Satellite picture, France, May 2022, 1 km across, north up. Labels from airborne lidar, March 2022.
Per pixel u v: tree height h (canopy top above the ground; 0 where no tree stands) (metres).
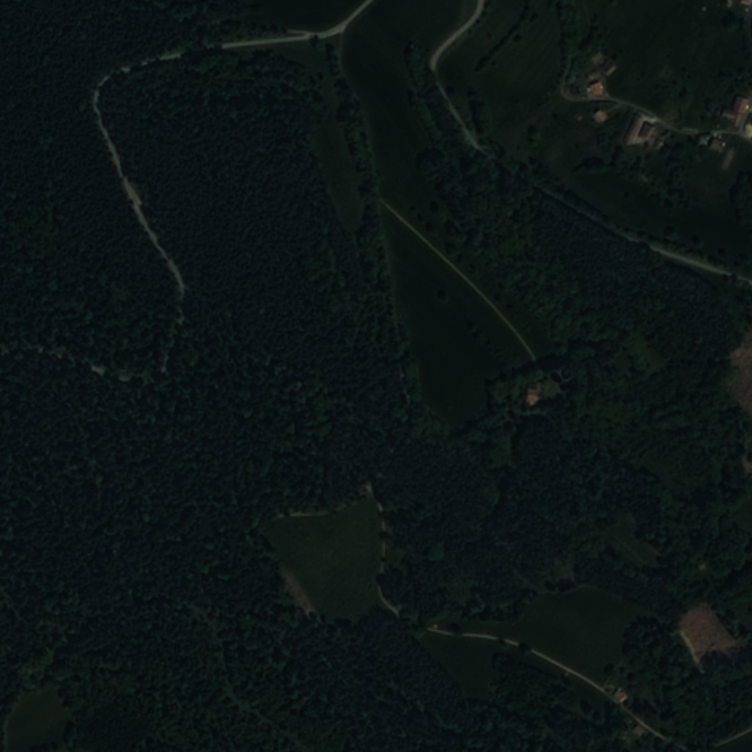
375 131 0
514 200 33
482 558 32
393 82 0
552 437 31
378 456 36
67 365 15
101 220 29
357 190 0
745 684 27
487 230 37
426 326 0
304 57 0
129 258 26
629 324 21
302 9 0
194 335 15
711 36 0
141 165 22
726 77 10
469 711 28
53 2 25
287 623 27
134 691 28
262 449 36
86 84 22
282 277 27
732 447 7
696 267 0
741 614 0
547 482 27
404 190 0
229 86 13
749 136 0
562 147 0
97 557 28
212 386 19
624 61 0
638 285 27
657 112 0
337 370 31
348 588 0
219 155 27
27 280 29
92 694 20
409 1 0
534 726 28
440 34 0
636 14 0
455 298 0
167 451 37
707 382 22
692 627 0
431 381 0
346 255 30
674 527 20
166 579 32
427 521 23
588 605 0
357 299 34
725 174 0
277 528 0
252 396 37
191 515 34
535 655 0
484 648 0
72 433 37
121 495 38
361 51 0
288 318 28
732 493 22
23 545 35
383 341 11
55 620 28
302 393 22
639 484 33
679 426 15
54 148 23
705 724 16
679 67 0
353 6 0
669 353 9
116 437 40
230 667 16
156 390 15
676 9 0
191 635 10
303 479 35
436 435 30
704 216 0
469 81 0
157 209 22
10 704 16
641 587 28
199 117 29
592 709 18
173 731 24
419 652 29
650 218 0
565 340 7
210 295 29
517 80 0
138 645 23
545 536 34
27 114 25
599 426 27
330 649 33
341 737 15
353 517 0
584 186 0
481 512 31
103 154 29
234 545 31
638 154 0
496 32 0
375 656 35
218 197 27
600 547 25
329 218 28
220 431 39
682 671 29
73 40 25
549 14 0
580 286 21
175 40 24
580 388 23
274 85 14
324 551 0
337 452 33
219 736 10
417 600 30
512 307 7
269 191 28
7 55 23
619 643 0
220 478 36
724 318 28
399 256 0
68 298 29
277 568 21
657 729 7
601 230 27
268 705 13
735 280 14
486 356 0
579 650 0
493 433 29
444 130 29
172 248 27
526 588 0
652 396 9
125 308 31
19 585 26
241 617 31
